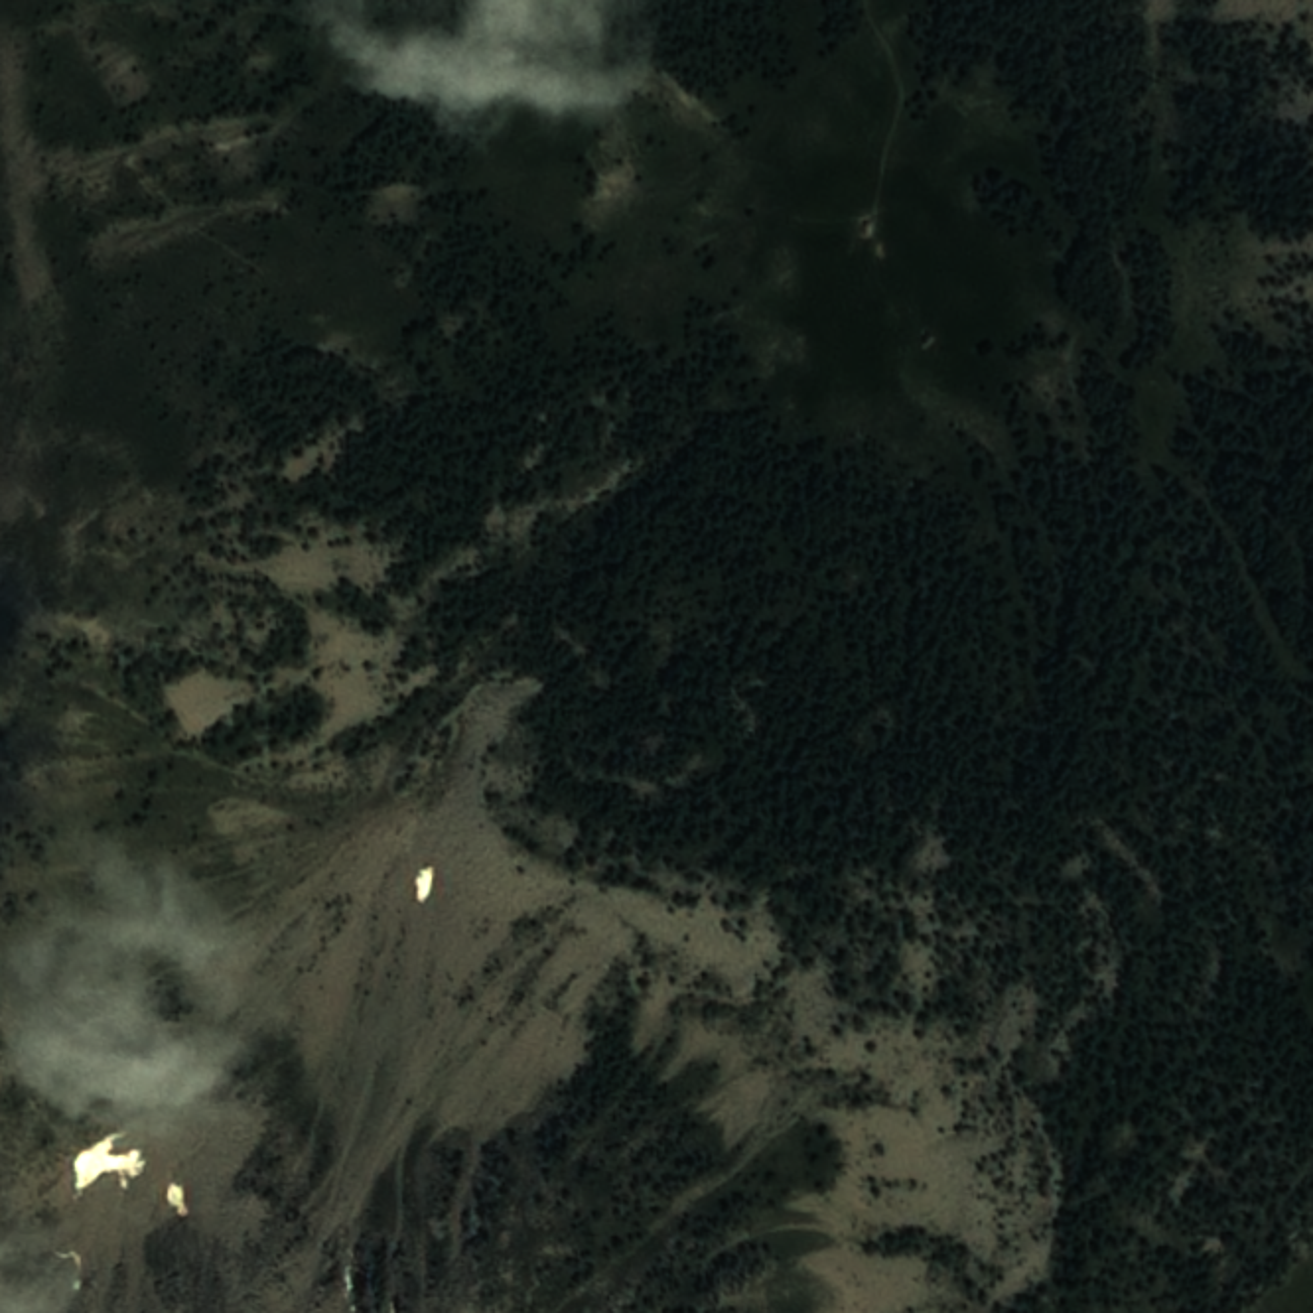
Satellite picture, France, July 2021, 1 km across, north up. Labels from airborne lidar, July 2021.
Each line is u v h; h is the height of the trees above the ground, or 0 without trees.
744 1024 5
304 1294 0
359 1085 0
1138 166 18
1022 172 0
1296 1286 0
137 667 12
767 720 11
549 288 8
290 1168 0
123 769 0
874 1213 0
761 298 0
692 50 14
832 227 0
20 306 0
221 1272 0
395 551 5
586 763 9
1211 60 10
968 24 8
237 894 0
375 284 0
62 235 0
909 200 0
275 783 0
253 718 11
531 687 0
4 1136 0
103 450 0
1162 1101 17
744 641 22
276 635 14
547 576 10
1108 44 18
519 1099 0
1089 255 17
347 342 0
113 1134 0
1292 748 12
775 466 17
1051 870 10
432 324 12
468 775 0
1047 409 0
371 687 0
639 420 11
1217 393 15
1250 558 12
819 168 0
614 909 0
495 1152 6
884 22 0
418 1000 0
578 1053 0
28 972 0
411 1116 0
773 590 16
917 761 14
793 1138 0
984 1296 11
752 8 9
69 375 0
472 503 13
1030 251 0
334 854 0
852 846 10
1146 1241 14
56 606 0
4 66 0
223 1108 0
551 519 13
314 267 0
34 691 0
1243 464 17
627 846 10
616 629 15
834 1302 0
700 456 12
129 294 0
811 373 0
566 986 0
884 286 0
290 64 8
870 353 0
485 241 10
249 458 10
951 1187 0
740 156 0
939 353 0
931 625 12
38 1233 0
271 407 8
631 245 0
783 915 15
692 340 10
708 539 14
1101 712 17
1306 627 19
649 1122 6
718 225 0
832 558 17
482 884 0
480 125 16
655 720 11
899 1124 0
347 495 9
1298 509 20
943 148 0
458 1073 0
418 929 0
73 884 0
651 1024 0
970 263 0
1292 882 15
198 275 0
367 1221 0
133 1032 6
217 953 0
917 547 18
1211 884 16
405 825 0
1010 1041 0
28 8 0
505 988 0
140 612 0
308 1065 0
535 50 0
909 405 0
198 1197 0
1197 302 0
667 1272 10
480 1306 0
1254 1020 9
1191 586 17
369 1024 0
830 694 17
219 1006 0
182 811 0
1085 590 21
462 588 9
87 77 0
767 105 0
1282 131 9
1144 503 13
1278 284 10
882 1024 0
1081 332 0
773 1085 0
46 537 0
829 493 21
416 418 15
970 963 16
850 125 0
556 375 14
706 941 0
